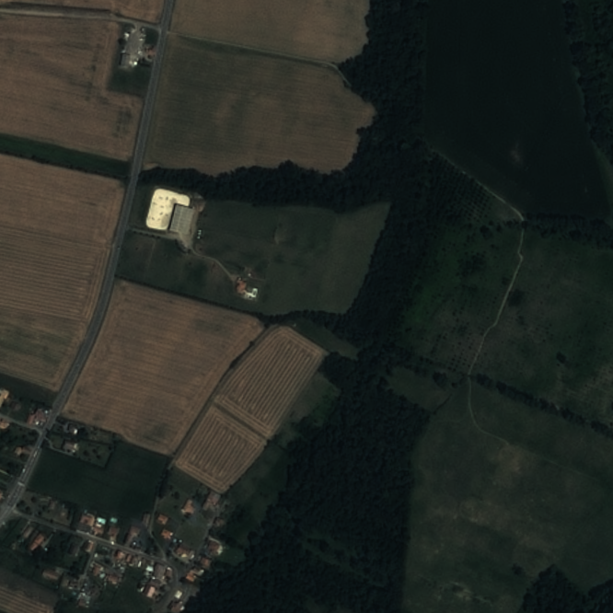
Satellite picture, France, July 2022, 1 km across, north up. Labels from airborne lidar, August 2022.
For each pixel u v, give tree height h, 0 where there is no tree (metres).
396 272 24
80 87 0
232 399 0
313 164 0
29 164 0
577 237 23
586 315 0
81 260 0
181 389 0
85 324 0
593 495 0
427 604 0
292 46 0
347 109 0
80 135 0
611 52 11
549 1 0
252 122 0
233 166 0
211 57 0
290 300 0
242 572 24
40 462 0
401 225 19
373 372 20
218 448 0
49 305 0
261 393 0
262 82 0
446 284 0
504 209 0
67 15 0
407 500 15
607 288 0
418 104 25
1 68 0
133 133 0
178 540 6
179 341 0
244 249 0
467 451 0
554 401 0
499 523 0
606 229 27
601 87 14
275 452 0
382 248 15
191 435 0
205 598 33
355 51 0
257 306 0
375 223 0
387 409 24
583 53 31
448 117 0
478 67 0
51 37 0
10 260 0
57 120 0
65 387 0
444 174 11
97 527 0
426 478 0
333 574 17
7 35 0
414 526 0
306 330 0
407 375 0
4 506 0
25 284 0
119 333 0
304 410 0
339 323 18
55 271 0
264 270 0
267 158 0
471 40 0
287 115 0
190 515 10
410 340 0
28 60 0
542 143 0
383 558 20
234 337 0
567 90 0
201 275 0
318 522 28
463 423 0
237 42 0
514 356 0
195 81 0
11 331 0
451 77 0
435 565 0
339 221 0
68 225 0
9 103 0
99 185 0
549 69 0
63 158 0
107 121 0
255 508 0
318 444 23
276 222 0
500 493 0
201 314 0
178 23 0
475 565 0
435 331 0
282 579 10
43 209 0
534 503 0
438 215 16
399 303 15
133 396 0
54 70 0
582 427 25
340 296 0
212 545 0
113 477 0
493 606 0
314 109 0
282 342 0
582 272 0
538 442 0
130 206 0
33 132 0
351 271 0
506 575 0
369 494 25
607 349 0
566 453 0
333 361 11
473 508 0
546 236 20
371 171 28
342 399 11
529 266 0
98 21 0
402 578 21
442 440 0
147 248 0
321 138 0
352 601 21
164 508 0
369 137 15
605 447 0
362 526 21
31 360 0
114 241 0
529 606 14
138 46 0
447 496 0
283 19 0
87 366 0
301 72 0
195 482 0
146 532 0
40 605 0
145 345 0
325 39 0
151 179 14
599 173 0
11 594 0
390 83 23
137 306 0
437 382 18
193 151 0
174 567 0
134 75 0
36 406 7
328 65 0
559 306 0
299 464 18
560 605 18
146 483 0
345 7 0
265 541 25
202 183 20
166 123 0
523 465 0
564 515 0
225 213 0
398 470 12
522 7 0
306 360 0
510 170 0
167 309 0
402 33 13
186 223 0
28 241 0
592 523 0
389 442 24
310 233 0
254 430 0
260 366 0
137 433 0
